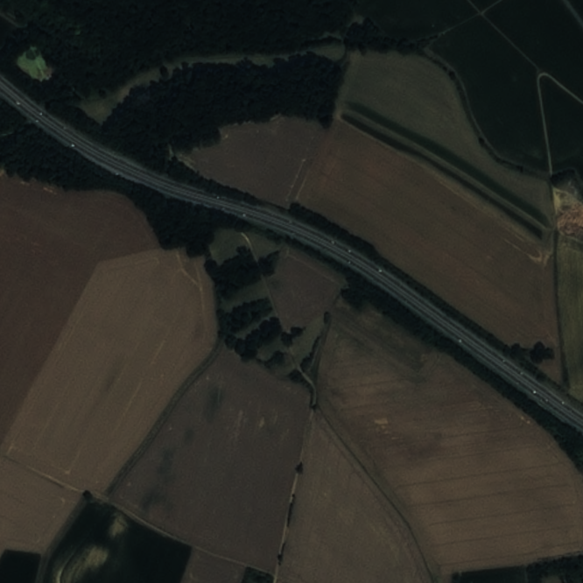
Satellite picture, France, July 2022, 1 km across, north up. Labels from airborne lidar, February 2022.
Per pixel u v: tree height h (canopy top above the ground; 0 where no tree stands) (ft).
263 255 0
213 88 67
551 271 0
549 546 0
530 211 0
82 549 0
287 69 104
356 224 0
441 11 0
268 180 0
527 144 0
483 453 0
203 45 79
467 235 0
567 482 0
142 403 0
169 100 80
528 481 0
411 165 0
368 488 0
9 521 0
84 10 49
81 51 39
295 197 0
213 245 0
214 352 0
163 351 0
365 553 0
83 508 0
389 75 0
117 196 0
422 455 0
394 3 0
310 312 0
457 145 0
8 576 0
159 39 66
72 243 0
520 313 0
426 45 30
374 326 0
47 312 0
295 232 0
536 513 0
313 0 58
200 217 56
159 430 0
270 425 0
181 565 0
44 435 0
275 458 0
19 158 57
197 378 0
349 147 0
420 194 0
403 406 0
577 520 0
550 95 0
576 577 0
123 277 0
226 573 0
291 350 0
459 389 0
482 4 0
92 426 0
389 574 0
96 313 0
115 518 0
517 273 0
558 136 0
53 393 0
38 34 82
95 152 0
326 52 0
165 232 54
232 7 80
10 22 0
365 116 0
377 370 0
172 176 30
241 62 0
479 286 0
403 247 0
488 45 0
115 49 47
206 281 0
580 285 0
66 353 0
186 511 0
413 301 0
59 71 23
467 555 0
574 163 0
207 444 0
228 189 28
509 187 0
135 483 0
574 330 0
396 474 0
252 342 61
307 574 0
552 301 0
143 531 0
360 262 0
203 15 59
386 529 0
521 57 0
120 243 0
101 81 39
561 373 0
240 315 45
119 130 64
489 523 0
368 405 0
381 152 0
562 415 0
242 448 0
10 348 0
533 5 0
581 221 0
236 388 0
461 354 34
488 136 0
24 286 0
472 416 0
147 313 0
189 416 0
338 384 0
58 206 0
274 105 64
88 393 0
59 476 0
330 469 0
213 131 59
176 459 0
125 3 64
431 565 0
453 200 0
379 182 0
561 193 0
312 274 0
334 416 0
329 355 0
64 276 0
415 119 0
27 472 0
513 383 0
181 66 0
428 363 0
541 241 0
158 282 0
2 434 0
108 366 0
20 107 0
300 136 0
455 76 31
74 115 54
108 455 0
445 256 0
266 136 0
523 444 0
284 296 0
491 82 0
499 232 0
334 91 55
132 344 0
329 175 0
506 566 0
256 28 73
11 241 0
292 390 0
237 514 0
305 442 0
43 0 62
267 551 0
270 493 0
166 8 63
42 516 0
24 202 0
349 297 38
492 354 0
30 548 0
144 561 0
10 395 0
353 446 0
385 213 0
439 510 0
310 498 0
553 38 0
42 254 0
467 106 0
